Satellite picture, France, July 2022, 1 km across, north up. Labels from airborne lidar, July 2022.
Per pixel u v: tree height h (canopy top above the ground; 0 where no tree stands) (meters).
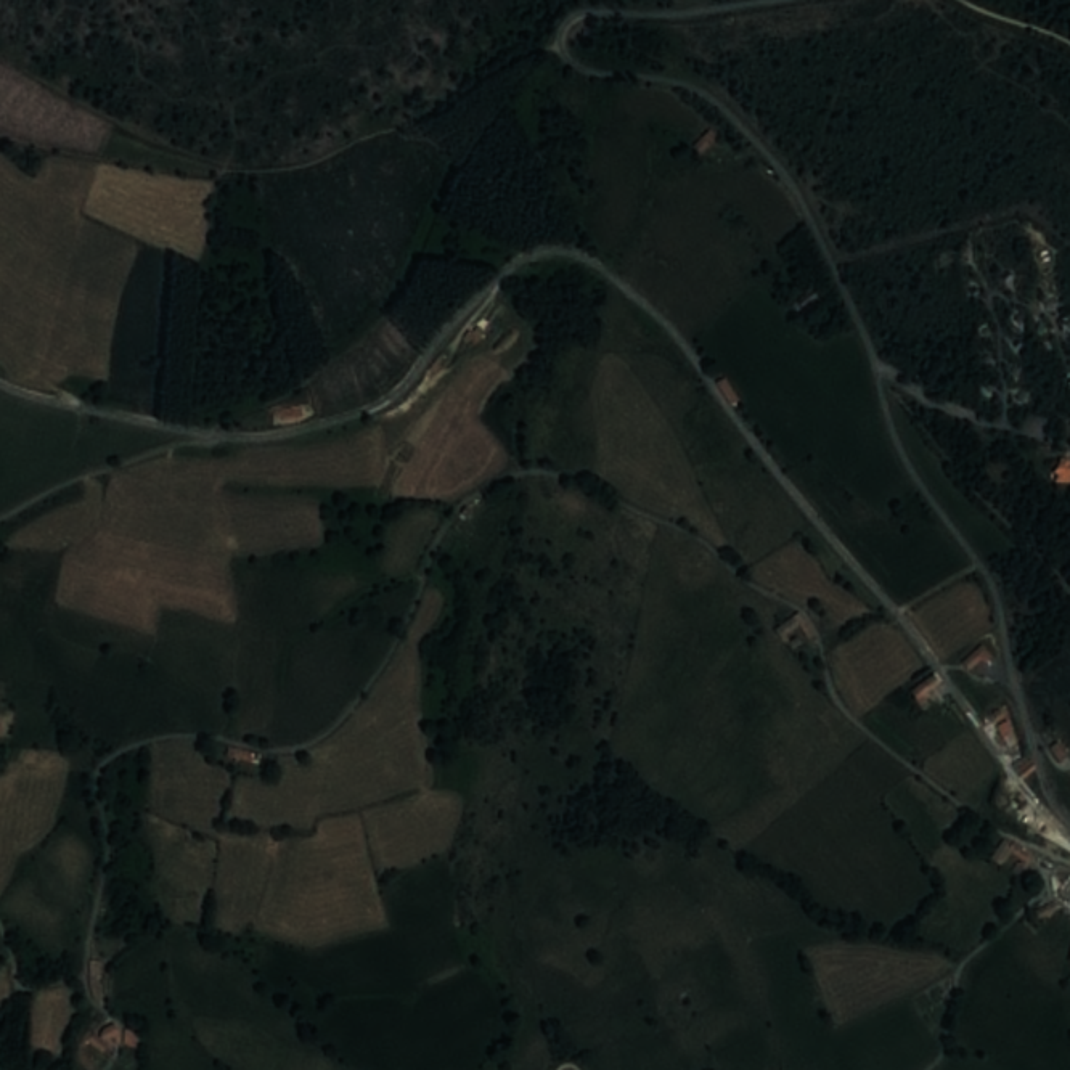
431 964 0
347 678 0
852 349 0
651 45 6
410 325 26
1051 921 0
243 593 0
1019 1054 0
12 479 0
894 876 0
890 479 0
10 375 0
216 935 12
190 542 0
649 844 13
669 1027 0
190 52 0
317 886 0
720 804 0
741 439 0
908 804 0
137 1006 0
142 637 0
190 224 0
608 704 8
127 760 7
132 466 0
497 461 0
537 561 7
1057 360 7
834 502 0
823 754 0
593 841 5
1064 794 0
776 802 0
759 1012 0
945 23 0
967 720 0
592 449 0
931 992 0
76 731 6
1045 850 0
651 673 0
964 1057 15
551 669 9
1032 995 0
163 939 10
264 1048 0
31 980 12
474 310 0
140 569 0
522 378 16
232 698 14
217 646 0
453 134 20
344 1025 0
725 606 0
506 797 0
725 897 0
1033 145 6
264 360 14
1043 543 17
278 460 0
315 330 21
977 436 7
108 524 0
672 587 0
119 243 0
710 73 8
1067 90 0
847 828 0
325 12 10
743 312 0
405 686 0
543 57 30
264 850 0
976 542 0
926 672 7
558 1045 15
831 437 0
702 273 0
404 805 0
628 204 0
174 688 0
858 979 0
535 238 18
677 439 0
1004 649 0
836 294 14
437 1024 0
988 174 7
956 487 8
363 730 0
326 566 0
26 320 0
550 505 0
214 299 11
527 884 0
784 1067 0
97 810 11
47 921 0
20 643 0
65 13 0
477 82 18
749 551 0
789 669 0
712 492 0
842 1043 0
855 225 6
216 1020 0
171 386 24
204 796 0
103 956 6
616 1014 0
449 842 0
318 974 0
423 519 0
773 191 0
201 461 0
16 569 0
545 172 19
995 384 12
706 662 0
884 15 0
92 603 0
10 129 0
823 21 0
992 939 15
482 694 9
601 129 0
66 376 0
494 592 10
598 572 0
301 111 0
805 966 13
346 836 0
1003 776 0
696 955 0
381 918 0
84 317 0
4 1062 13
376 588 10
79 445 0
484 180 24
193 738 0
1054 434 10
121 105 8
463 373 0
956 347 7
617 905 0
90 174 0
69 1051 13
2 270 0
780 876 10
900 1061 0
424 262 23
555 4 11
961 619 0
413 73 6
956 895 0
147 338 0
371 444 0
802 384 0
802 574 0
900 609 0
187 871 0
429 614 0
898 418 0
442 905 0
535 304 21
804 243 10
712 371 15
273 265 19
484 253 7
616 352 0
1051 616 10
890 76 0
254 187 13
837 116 11
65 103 0
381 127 0
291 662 0
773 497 0
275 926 0
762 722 0
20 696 0
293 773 0
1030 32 9
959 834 14
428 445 0
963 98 0
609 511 11
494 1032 0
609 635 0
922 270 6
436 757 17
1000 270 9
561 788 0
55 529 0
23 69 0
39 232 0
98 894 0
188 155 0
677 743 0
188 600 0
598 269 0
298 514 0
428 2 0
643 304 0
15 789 0
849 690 0
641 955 0
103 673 0
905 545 0
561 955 0
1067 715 0
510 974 0
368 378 0
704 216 0
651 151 0
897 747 0
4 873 0
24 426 0
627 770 14
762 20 0
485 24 9
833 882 0
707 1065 0
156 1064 0
